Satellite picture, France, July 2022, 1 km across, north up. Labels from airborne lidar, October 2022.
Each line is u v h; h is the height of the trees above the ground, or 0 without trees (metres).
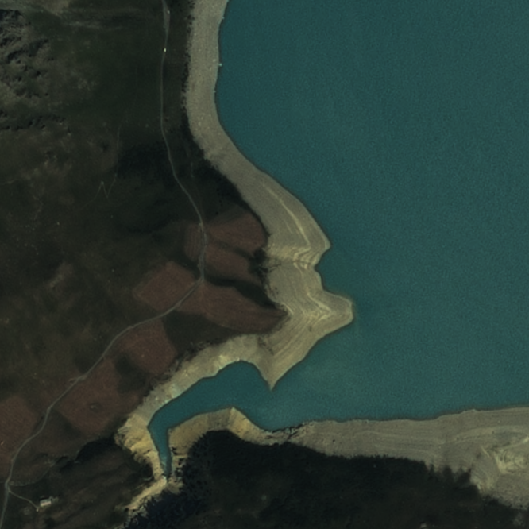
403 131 0
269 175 0
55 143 0
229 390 0
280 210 0
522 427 0
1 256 0
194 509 11
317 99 0
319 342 0
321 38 0
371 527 0
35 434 0
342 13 0
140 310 0
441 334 0
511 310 0
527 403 0
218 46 0
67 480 0
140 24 0
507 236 0
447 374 0
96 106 0
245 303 0
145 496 0
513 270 0
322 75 0
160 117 0
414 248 0
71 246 0
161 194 0
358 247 0
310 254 0
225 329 0
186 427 0
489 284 0
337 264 0
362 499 0
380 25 0
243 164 0
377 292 0
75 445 0
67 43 0
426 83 0
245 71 0
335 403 0
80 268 0
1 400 0
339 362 0
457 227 0
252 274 0
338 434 0
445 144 0
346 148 0
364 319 0
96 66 0
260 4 0
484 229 0
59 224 0
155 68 0
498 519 0
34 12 0
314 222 0
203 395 0
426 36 0
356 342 0
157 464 0
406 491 0
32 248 0
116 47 0
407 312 0
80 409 0
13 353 0
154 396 0
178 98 0
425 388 0
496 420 0
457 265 0
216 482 0
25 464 0
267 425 0
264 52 0
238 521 0
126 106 0
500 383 0
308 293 0
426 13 0
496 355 0
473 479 0
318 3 0
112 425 0
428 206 0
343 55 0
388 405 0
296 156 0
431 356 0
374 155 0
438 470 0
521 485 0
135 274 0
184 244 0
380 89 0
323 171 0
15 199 0
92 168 0
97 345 0
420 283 0
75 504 0
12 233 0
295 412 0
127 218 0
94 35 0
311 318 0
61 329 0
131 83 0
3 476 0
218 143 0
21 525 0
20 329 0
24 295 0
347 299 0
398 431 0
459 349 0
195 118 0
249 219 0
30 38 0
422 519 0
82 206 0
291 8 0
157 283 0
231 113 0
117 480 0
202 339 0
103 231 0
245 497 0
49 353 0
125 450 0
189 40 0
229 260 0
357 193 0
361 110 0
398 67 0
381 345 0
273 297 0
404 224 0
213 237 0
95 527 0
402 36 0
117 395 0
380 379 0
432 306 0
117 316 0
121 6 0
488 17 0
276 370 0
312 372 0
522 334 0
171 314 0
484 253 0
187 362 0
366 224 0
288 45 0
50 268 0
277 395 0
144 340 0
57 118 6
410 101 0
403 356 0
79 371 0
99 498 0
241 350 0
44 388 0
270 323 0
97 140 0
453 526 0
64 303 0
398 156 0
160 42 0
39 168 0
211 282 0
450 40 0
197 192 0
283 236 0
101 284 0
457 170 0
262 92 0
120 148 0
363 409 0
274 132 0
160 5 0
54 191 0
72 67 0
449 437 0
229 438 7
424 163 0
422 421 0
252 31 0
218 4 0
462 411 0
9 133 0
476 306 0
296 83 0
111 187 0
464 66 0
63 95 0
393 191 0
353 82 0
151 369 0
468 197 0
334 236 0
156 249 0
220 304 0
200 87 0
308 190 0
